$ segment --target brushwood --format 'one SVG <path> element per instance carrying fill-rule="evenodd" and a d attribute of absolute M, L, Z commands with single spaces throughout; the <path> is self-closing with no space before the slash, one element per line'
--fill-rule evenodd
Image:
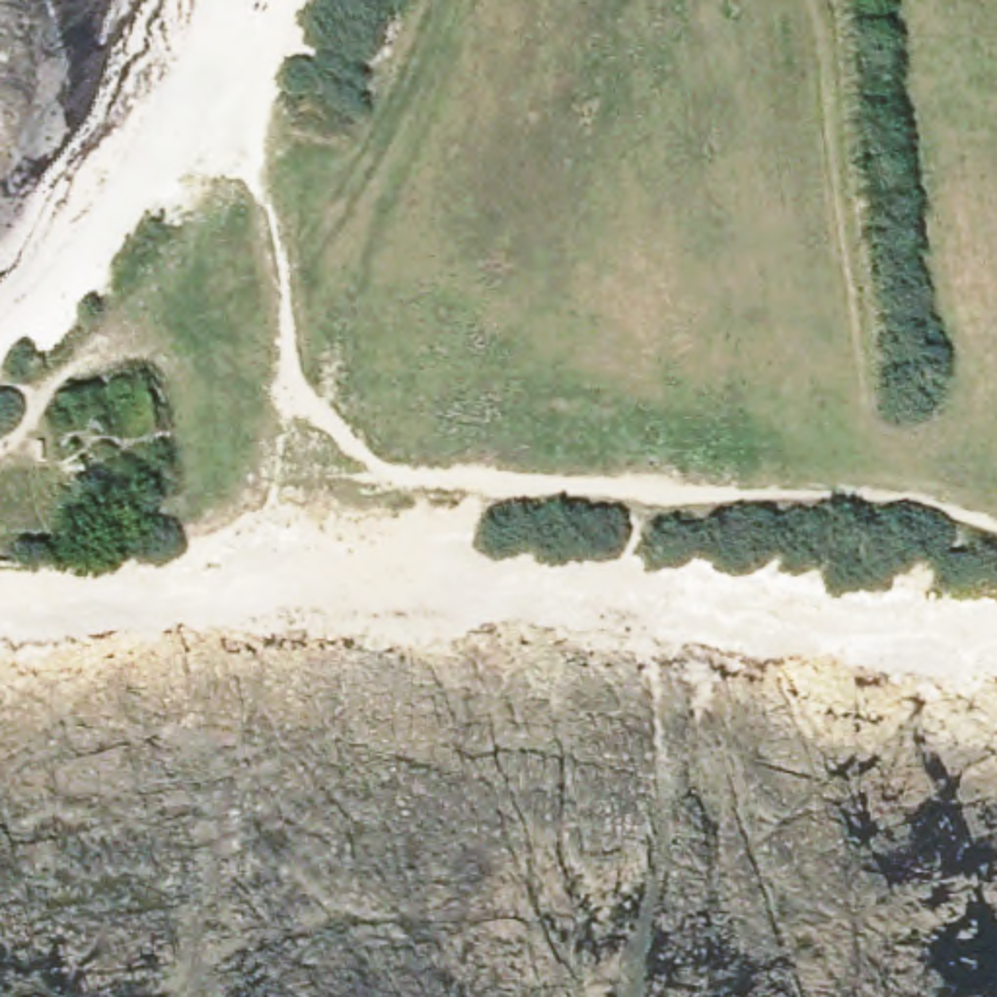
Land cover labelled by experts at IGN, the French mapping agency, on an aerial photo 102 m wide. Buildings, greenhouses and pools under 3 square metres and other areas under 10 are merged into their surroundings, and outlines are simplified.
<path fill-rule="evenodd" d="M 627 502 L 545 495 L 502 499 L 483 514 L 475 530 L 475 549 L 487 557 L 534 553 L 541 565 L 569 565 L 611 561 L 623 553 L 623 541 L 631 534 Z"/>
<path fill-rule="evenodd" d="M 779 569 L 794 576 L 818 572 L 826 580 L 826 592 L 833 596 L 888 592 L 892 580 L 911 565 L 931 565 L 931 596 L 997 600 L 997 534 L 954 522 L 950 514 L 923 502 L 868 502 L 857 495 L 830 495 L 818 502 L 674 506 L 650 518 L 639 557 L 654 572 L 689 561 L 713 561 L 720 572 L 732 576 L 779 561 Z"/>
<path fill-rule="evenodd" d="M 105 432 L 125 436 L 148 432 L 152 425 L 171 425 L 175 409 L 160 393 L 160 370 L 152 362 L 136 362 L 70 378 L 43 417 L 55 428 L 101 421 Z"/>
<path fill-rule="evenodd" d="M 27 549 L 19 561 L 23 569 L 105 576 L 125 561 L 167 565 L 187 545 L 183 530 L 175 514 L 164 514 L 164 495 L 171 495 L 183 483 L 179 448 L 175 440 L 156 440 L 136 452 L 121 452 L 109 463 L 78 471 L 82 495 L 78 502 L 66 502 L 58 510 L 55 530 L 19 534 Z"/>
<path fill-rule="evenodd" d="M 62 339 L 55 347 L 35 347 L 31 339 L 19 339 L 16 347 L 0 343 L 0 436 L 23 417 L 19 389 L 43 382 L 78 351 Z"/>
<path fill-rule="evenodd" d="M 351 129 L 374 105 L 370 58 L 386 43 L 389 19 L 409 8 L 409 0 L 308 0 L 296 16 L 308 43 L 300 55 L 284 58 L 277 78 L 304 101 L 312 101 L 312 113 L 296 121 L 300 129 Z"/>
<path fill-rule="evenodd" d="M 911 58 L 907 23 L 900 16 L 904 0 L 849 0 L 857 23 L 853 70 L 861 97 L 853 117 L 861 152 L 857 167 L 868 199 L 865 238 L 880 300 L 880 417 L 888 425 L 927 421 L 950 393 L 954 378 L 954 339 L 946 331 L 946 319 L 939 315 L 935 277 L 927 265 L 927 187 L 919 164 L 915 105 L 907 93 Z"/>

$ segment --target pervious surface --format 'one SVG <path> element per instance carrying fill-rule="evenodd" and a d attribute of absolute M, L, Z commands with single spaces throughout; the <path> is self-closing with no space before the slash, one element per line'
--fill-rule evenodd
<path fill-rule="evenodd" d="M 0 436 L 0 460 L 12 467 L 43 460 L 43 417 L 70 378 L 136 362 L 117 331 L 97 331 L 78 351 L 43 382 L 19 389 L 23 417 Z"/>
<path fill-rule="evenodd" d="M 997 534 L 997 518 L 954 502 L 954 491 L 946 483 L 923 483 L 904 475 L 872 475 L 857 495 L 868 502 L 923 502 L 950 514 L 954 522 Z"/>
<path fill-rule="evenodd" d="M 362 436 L 354 436 L 351 425 L 339 421 L 331 409 L 343 362 L 323 362 L 323 382 L 315 389 L 300 374 L 292 319 L 292 261 L 284 249 L 280 214 L 269 195 L 265 171 L 245 183 L 253 195 L 253 253 L 261 261 L 265 280 L 277 284 L 277 409 L 261 421 L 261 463 L 241 475 L 241 491 L 226 506 L 210 506 L 199 522 L 183 530 L 187 545 L 195 537 L 218 534 L 241 514 L 265 510 L 269 487 L 296 487 L 308 495 L 331 495 L 354 510 L 393 514 L 413 506 L 460 506 L 467 499 L 483 514 L 502 499 L 545 495 L 627 502 L 631 534 L 623 541 L 623 553 L 639 557 L 650 518 L 674 506 L 818 502 L 830 495 L 826 483 L 682 483 L 678 471 L 522 475 L 475 463 L 401 467 L 378 460 L 362 444 Z"/>

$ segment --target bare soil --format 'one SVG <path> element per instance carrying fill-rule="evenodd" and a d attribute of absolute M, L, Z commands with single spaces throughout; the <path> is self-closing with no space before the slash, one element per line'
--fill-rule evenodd
<path fill-rule="evenodd" d="M 931 857 L 915 865 L 907 884 L 888 884 L 880 876 L 876 857 L 907 849 L 907 814 L 927 798 L 958 798 L 966 830 L 985 845 L 997 845 L 997 600 L 931 596 L 931 565 L 911 565 L 892 580 L 888 592 L 833 596 L 826 592 L 826 580 L 818 572 L 794 576 L 779 569 L 779 561 L 732 576 L 720 572 L 713 561 L 689 561 L 654 572 L 639 557 L 623 553 L 611 561 L 569 565 L 541 565 L 534 553 L 487 557 L 475 549 L 475 530 L 483 514 L 467 499 L 460 506 L 413 506 L 393 514 L 354 510 L 331 495 L 308 495 L 296 487 L 269 487 L 265 510 L 241 514 L 218 534 L 195 537 L 187 545 L 167 565 L 125 561 L 105 576 L 23 569 L 0 572 L 0 997 L 962 997 L 931 966 L 923 966 L 923 958 L 931 954 L 931 939 L 939 927 L 962 919 L 970 904 L 989 904 L 997 915 L 997 872 L 993 880 L 950 876 L 942 872 L 942 857 Z"/>
<path fill-rule="evenodd" d="M 164 214 L 175 226 L 183 222 L 187 206 L 195 206 L 206 195 L 206 183 L 214 175 L 245 183 L 265 171 L 265 136 L 277 101 L 277 78 L 284 58 L 300 55 L 308 43 L 296 16 L 308 0 L 0 0 L 0 343 L 16 347 L 19 339 L 31 339 L 35 347 L 55 347 L 62 339 L 74 327 L 82 296 L 101 292 L 109 284 L 117 249 L 144 214 Z"/>

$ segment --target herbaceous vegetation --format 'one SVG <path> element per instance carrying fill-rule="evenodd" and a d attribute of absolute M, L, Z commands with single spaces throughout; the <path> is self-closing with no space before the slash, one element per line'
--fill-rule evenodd
<path fill-rule="evenodd" d="M 942 872 L 950 876 L 993 880 L 997 872 L 997 845 L 985 845 L 966 830 L 958 798 L 927 798 L 907 814 L 907 849 L 876 857 L 880 876 L 888 884 L 907 884 L 915 865 L 931 857 L 942 857 Z"/>
<path fill-rule="evenodd" d="M 970 904 L 962 919 L 939 927 L 931 939 L 931 954 L 923 958 L 923 966 L 931 966 L 962 997 L 997 997 L 997 915 L 989 904 Z"/>
<path fill-rule="evenodd" d="M 43 460 L 12 467 L 0 460 L 0 572 L 23 569 L 19 561 L 27 549 L 19 534 L 55 530 L 58 510 L 66 502 L 78 502 L 82 495 L 78 471 L 109 463 L 121 452 L 136 452 L 156 440 L 175 440 L 179 448 L 183 483 L 171 495 L 164 495 L 164 514 L 175 514 L 183 530 L 199 522 L 210 506 L 226 506 L 241 491 L 241 475 L 261 463 L 261 421 L 277 409 L 277 284 L 265 280 L 261 261 L 253 253 L 253 195 L 245 183 L 214 175 L 206 183 L 206 195 L 195 206 L 187 206 L 183 222 L 175 226 L 164 214 L 144 214 L 117 249 L 109 284 L 101 292 L 82 296 L 74 327 L 62 339 L 78 351 L 97 331 L 117 331 L 136 362 L 152 362 L 160 370 L 160 393 L 175 409 L 171 425 L 152 425 L 148 432 L 125 436 L 105 432 L 101 421 L 55 428 L 43 417 Z"/>
<path fill-rule="evenodd" d="M 354 436 L 362 436 L 362 444 L 378 460 L 401 467 L 475 463 L 522 475 L 678 471 L 682 483 L 826 483 L 830 495 L 857 495 L 872 475 L 904 475 L 923 483 L 946 483 L 954 491 L 954 502 L 997 518 L 997 0 L 904 0 L 900 16 L 907 23 L 911 58 L 907 93 L 915 105 L 919 164 L 927 187 L 927 265 L 935 277 L 939 315 L 946 319 L 946 331 L 954 339 L 954 378 L 950 393 L 927 421 L 888 425 L 880 417 L 880 300 L 865 238 L 868 199 L 857 167 L 861 152 L 853 117 L 861 97 L 853 70 L 857 23 L 849 0 L 409 0 L 409 8 L 389 19 L 386 43 L 370 58 L 374 105 L 351 129 L 300 129 L 296 121 L 312 113 L 312 101 L 304 101 L 277 78 L 277 101 L 265 136 L 265 171 L 269 195 L 280 214 L 284 249 L 292 261 L 292 319 L 300 374 L 315 389 L 323 382 L 323 362 L 343 362 L 331 409 L 339 421 L 351 425 Z"/>

